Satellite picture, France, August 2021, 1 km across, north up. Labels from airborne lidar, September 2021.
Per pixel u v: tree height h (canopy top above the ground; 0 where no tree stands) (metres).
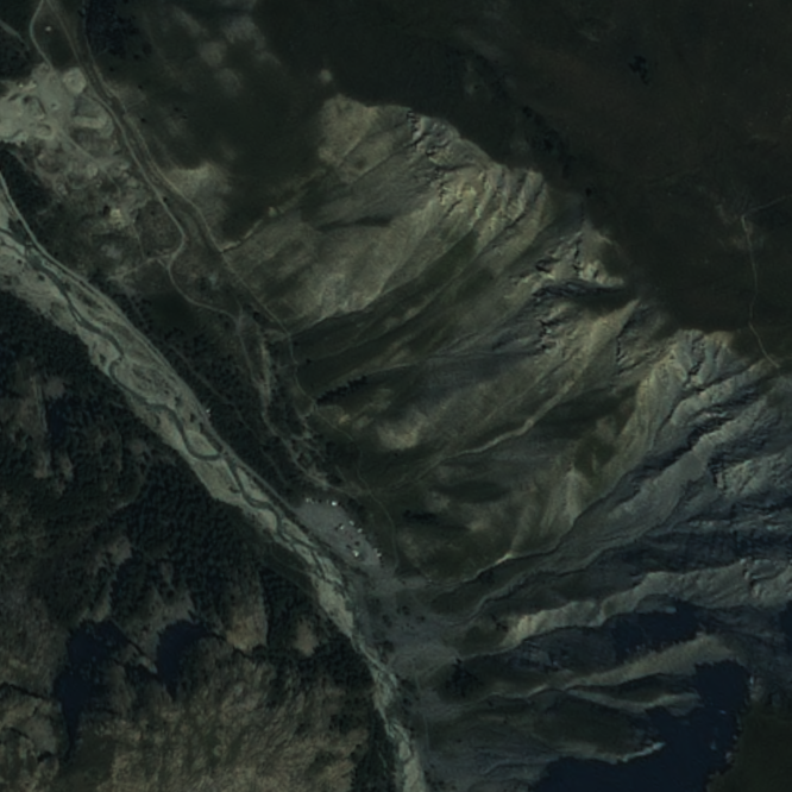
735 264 0
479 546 0
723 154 0
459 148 0
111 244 0
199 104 0
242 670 0
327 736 0
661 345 0
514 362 0
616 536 0
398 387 0
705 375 0
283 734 0
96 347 0
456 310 0
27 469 16
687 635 0
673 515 0
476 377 0
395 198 0
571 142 0
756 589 0
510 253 0
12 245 0
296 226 0
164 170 0
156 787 0
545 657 0
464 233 0
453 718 0
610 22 0
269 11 0
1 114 0
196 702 0
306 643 0
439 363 0
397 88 0
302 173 0
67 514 10
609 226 0
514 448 0
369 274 0
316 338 0
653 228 0
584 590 0
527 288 0
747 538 0
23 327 12
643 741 0
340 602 0
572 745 0
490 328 0
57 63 0
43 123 0
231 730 0
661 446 0
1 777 0
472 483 0
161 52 0
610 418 0
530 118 11
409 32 0
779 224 0
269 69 0
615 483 0
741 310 0
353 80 0
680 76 0
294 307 0
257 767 0
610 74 0
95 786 0
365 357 0
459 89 0
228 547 17
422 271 0
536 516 0
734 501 0
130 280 0
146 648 0
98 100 0
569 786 0
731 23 0
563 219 0
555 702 0
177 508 11
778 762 0
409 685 8
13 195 9
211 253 0
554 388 0
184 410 0
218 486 0
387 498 0
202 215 0
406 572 0
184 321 0
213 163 0
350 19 0
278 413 7
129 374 0
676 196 0
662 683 0
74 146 0
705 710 0
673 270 0
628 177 0
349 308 0
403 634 0
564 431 0
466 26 0
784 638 0
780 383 0
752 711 0
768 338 0
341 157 0
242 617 0
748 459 0
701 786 0
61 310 0
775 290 0
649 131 0
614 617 0
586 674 0
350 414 0
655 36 0
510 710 0
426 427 0
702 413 0
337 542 0
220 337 0
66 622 7
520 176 0
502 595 0
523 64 0
